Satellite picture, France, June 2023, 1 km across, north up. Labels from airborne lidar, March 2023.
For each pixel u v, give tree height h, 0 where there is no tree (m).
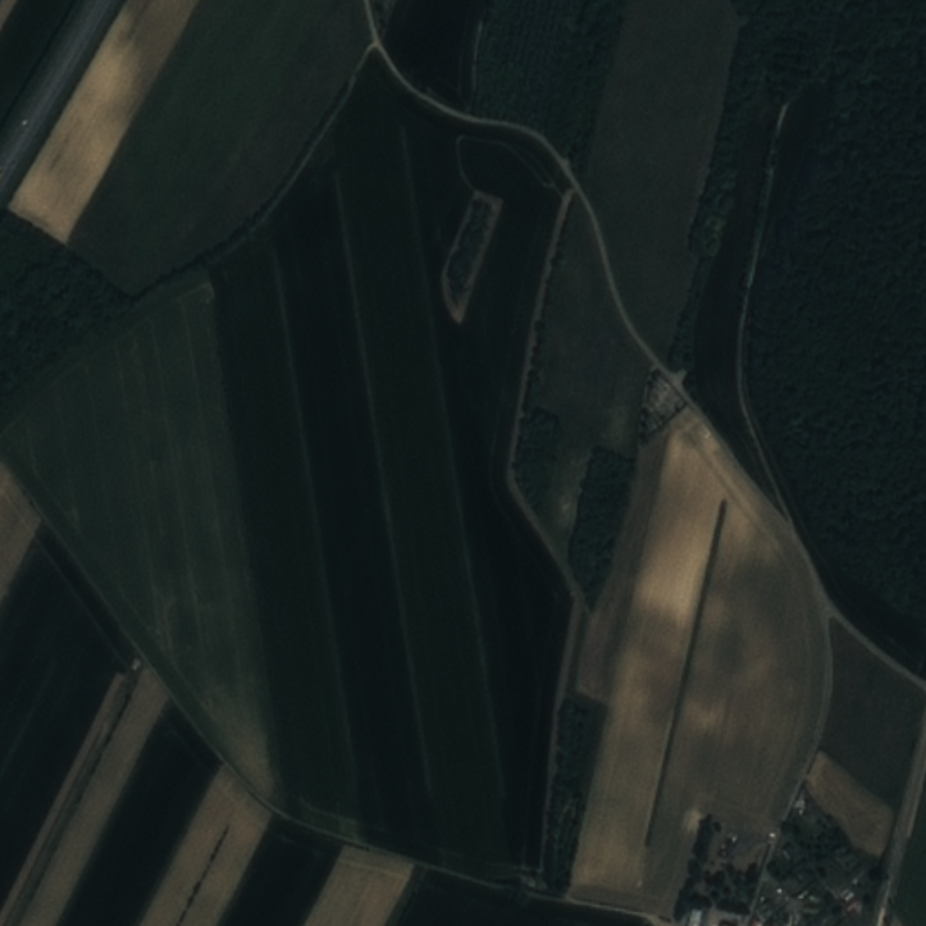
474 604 0
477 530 0
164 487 0
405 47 0
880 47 20
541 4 9
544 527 0
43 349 15
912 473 23
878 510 23
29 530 0
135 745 0
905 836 0
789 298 22
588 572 10
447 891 0
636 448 0
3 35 0
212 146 0
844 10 22
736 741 0
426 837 0
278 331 0
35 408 0
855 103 18
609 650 0
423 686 0
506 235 0
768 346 14
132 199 0
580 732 12
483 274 0
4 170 0
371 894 0
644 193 0
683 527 0
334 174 0
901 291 21
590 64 14
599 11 13
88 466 0
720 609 0
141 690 0
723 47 0
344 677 0
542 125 9
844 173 21
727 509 0
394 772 0
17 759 0
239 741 0
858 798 0
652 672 0
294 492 0
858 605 0
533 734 0
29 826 0
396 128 0
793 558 0
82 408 0
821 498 15
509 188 0
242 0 0
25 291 17
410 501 0
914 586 20
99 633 0
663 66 0
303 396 0
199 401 0
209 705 0
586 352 0
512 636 0
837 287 23
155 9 0
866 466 23
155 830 0
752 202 0
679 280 0
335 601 0
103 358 0
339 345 0
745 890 11
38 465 0
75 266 20
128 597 0
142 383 0
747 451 0
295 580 0
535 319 0
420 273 0
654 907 0
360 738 0
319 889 0
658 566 0
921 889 0
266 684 0
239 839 0
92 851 0
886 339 21
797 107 0
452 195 0
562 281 0
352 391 0
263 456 0
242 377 0
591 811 0
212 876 0
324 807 0
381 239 0
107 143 0
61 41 0
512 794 0
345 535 0
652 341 0
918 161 25
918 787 0
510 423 0
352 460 0
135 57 0
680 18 0
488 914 0
